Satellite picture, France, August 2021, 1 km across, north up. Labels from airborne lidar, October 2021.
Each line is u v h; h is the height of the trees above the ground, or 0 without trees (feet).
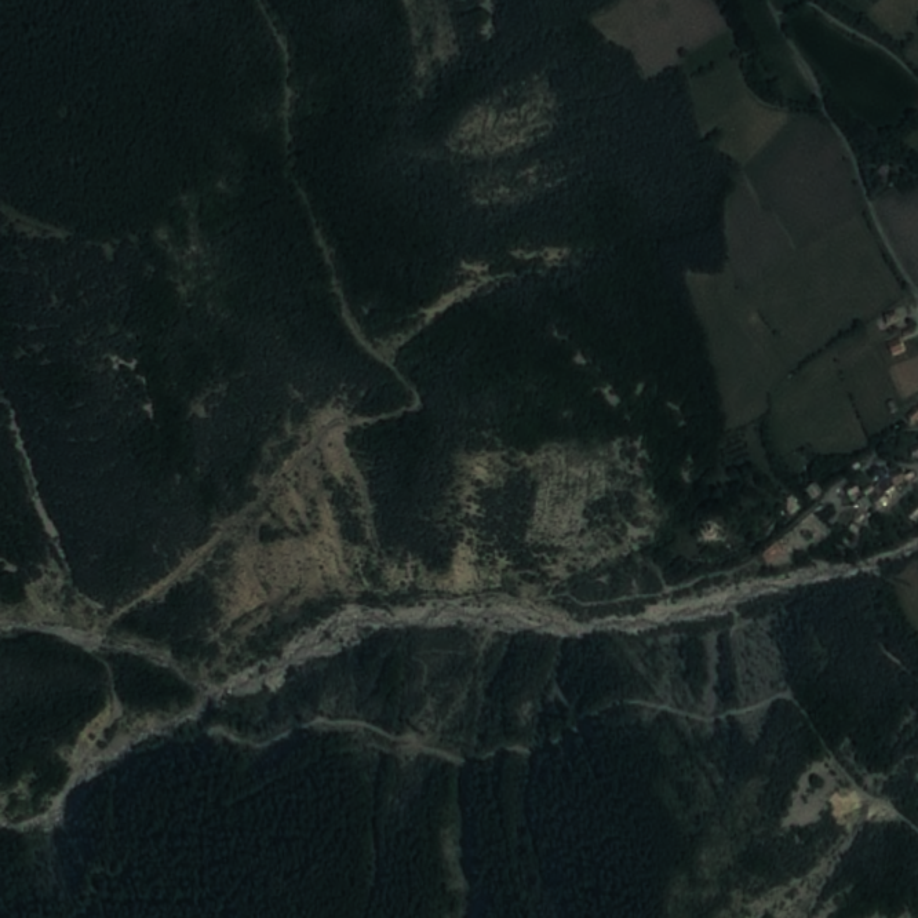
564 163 24
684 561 35
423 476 35
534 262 25
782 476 25
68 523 37
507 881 55
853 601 38
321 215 46
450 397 33
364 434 37
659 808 42
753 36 72
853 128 36
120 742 0
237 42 37
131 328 55
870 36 27
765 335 0
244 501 25
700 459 66
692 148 46
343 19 44
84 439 40
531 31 58
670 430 43
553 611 0
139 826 67
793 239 0
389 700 25
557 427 30
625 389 43
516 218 36
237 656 22
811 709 37
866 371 0
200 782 75
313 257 42
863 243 0
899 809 24
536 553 24
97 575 34
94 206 50
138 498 42
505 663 27
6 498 41
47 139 68
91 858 34
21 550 49
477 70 58
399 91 32
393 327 20
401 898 56
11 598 31
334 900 69
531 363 36
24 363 42
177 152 55
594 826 89
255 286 38
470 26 34
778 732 30
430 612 0
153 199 51
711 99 0
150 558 36
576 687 32
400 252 64
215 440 31
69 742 21
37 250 34
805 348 0
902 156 32
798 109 20
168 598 33
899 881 42
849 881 28
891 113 0
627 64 40
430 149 20
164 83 53
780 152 0
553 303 50
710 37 0
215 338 23
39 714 48
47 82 64
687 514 52
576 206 31
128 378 56
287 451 20
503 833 27
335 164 68
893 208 0
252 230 40
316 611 17
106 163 55
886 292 0
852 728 52
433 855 48
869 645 59
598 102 52
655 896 51
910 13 0
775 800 27
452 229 40
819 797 0
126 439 33
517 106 23
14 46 68
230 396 32
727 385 0
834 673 43
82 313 31
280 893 42
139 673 33
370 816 50
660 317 58
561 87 43
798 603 38
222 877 69
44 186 62
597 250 29
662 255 87
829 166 0
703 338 65
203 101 56
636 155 37
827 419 0
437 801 51
